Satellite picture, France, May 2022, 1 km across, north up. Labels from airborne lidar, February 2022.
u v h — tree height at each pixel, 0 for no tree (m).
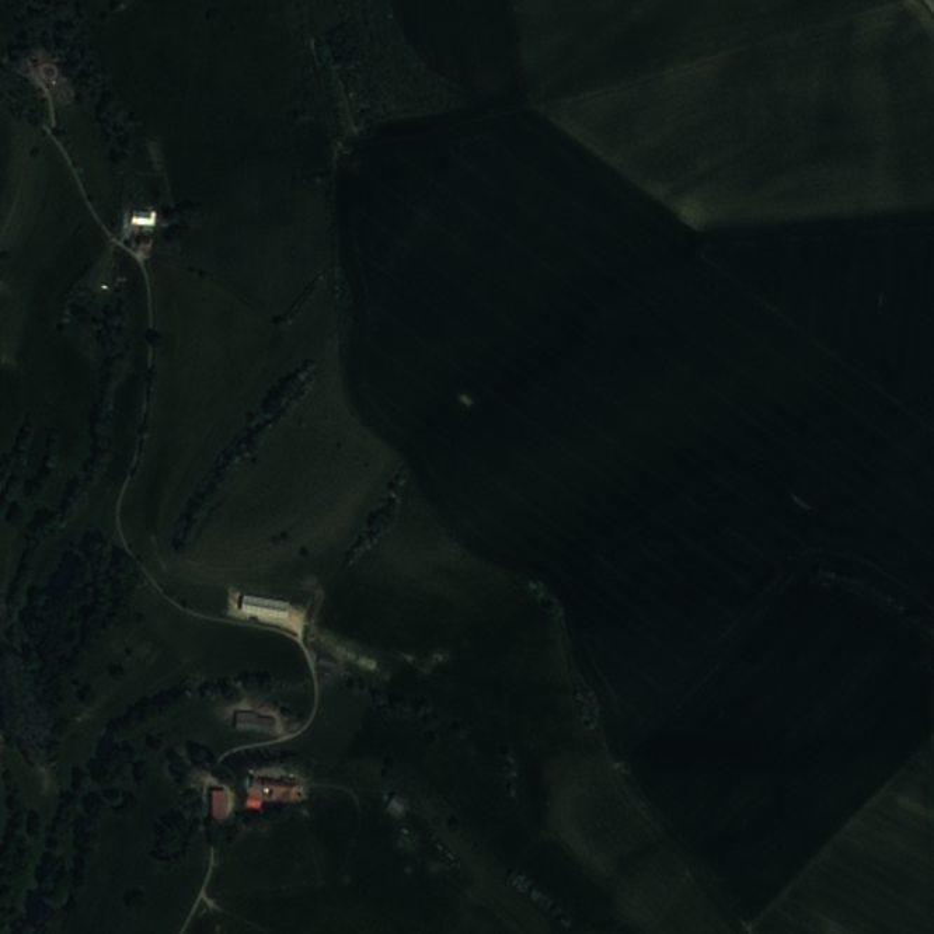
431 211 0
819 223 0
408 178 0
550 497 0
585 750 0
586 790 0
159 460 0
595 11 0
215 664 0
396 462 0
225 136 0
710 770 0
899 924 0
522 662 0
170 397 0
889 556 0
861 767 0
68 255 0
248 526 0
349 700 0
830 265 0
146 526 0
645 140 0
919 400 0
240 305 0
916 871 0
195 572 0
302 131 0
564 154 0
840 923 0
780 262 0
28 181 0
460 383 0
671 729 0
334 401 0
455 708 0
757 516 0
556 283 0
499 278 0
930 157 0
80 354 0
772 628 0
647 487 0
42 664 21
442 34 0
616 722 0
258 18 0
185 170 0
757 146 0
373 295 0
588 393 0
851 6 0
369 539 7
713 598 0
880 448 0
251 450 9
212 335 0
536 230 0
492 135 0
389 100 7
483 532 0
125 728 16
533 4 0
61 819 8
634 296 0
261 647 0
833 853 0
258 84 0
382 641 0
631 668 0
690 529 0
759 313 0
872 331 0
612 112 0
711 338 0
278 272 0
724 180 0
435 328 0
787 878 0
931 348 0
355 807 0
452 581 0
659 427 0
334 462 0
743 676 0
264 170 0
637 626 0
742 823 0
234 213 0
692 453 0
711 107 0
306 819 0
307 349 0
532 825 0
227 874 0
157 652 0
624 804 0
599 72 0
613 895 0
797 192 0
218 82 0
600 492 0
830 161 0
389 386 0
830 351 0
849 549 0
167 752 0
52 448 8
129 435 0
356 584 0
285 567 0
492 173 0
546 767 0
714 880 0
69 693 0
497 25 0
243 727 0
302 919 0
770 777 0
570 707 0
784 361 0
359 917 0
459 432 0
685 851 0
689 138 0
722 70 0
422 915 0
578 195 0
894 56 0
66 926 0
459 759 0
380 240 0
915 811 0
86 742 0
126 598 9
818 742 0
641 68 0
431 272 0
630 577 0
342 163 0
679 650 0
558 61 0
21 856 29
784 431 0
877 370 0
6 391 0
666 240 0
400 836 0
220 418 0
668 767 0
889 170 0
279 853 0
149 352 0
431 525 0
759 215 0
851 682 0
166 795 0
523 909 0
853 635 0
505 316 0
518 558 0
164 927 0
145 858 0
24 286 0
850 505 0
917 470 0
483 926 0
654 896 0
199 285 0
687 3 0
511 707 0
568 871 0
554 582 0
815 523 0
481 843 0
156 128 0
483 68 0
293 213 0
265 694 11
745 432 0
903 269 0
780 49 0
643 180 0
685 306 0
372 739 0
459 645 0
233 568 0
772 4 0
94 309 0
